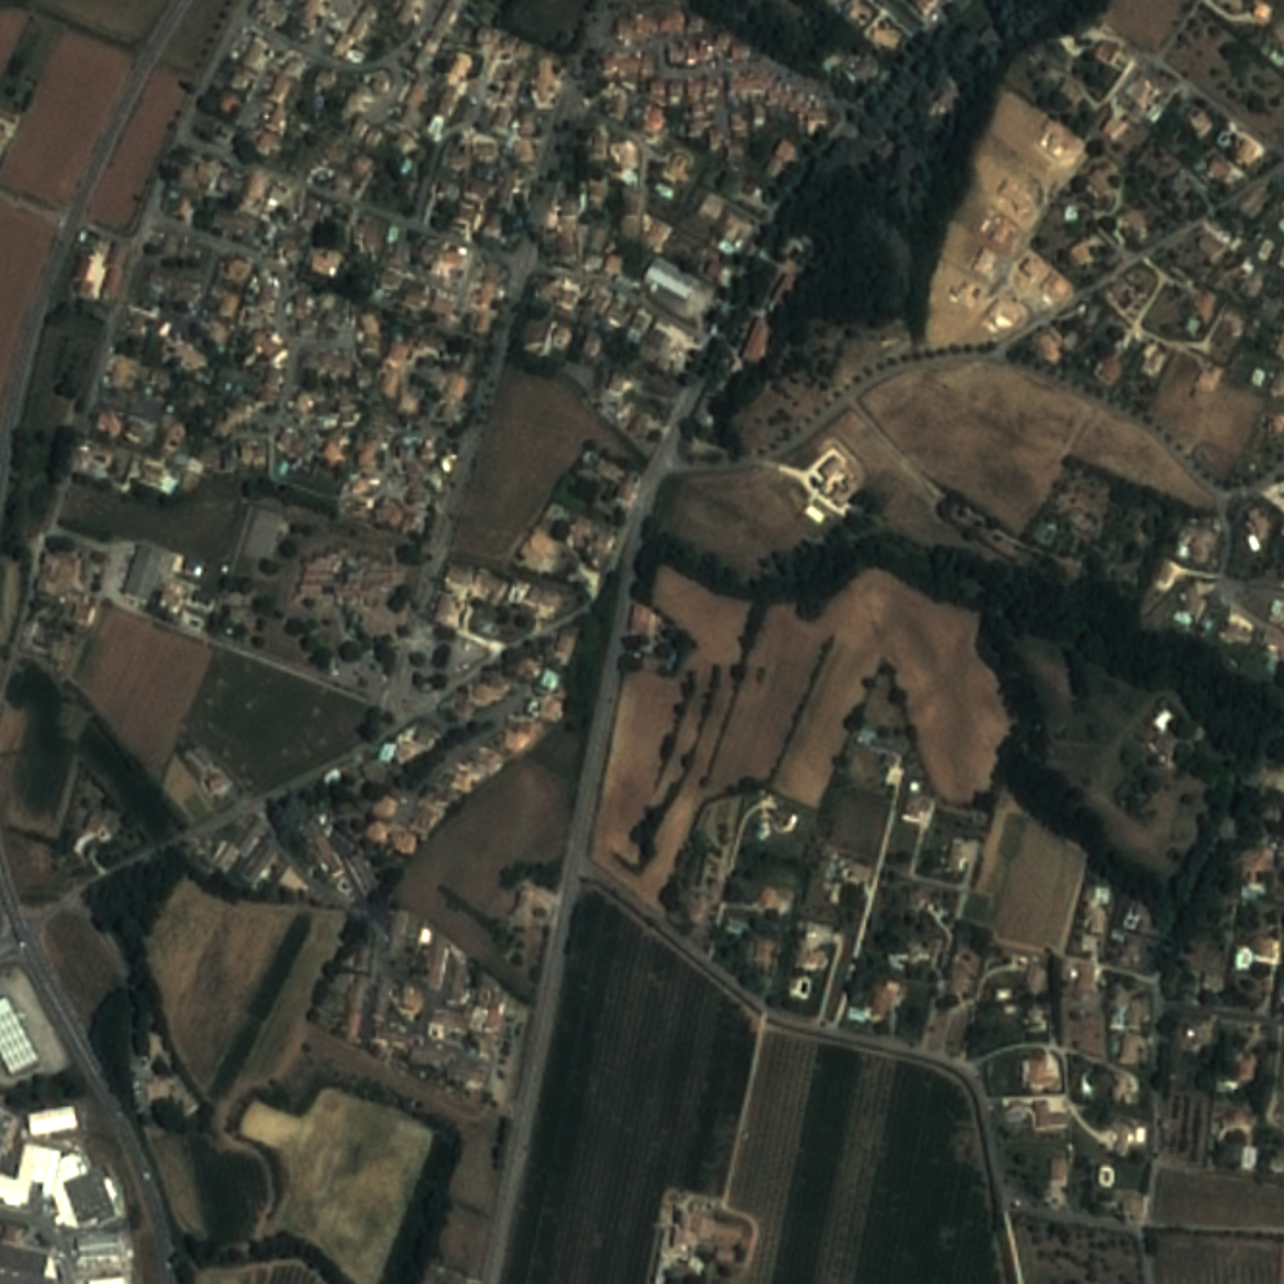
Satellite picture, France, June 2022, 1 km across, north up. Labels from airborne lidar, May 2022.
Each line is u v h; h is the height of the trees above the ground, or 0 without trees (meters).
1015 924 0
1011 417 0
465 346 14
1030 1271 0
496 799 0
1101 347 10
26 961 0
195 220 10
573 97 0
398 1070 0
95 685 0
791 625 0
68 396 14
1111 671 13
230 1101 0
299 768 0
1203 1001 14
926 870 6
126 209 0
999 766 7
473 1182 0
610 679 0
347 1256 0
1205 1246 0
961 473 0
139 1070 0
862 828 0
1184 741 20
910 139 15
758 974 11
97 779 7
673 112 10
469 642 0
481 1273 0
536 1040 0
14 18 0
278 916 0
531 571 5
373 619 0
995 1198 6
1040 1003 7
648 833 7
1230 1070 12
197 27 0
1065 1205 0
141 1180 0
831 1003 0
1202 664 22
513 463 0
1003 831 0
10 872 0
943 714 0
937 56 15
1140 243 7
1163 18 0
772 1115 0
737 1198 0
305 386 7
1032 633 17
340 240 11
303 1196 0
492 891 0
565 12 0
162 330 0
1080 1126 0
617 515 10
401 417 8
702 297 0
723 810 0
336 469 10
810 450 0
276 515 0
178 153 9
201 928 0
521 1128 0
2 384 0
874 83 17
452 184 0
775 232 19
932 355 8
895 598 0
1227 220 12
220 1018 0
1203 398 0
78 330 0
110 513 0
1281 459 7
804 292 21
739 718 0
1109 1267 6
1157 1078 11
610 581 12
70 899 0
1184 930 19
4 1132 0
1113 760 0
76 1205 0
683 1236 0
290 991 0
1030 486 0
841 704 0
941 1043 0
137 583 0
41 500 0
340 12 0
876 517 17
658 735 0
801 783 0
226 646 0
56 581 0
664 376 6
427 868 0
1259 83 6
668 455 0
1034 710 15
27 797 0
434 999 0
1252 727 22
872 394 0
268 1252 19
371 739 24
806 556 19
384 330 6
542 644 6
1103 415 0
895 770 0
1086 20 8
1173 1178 0
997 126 0
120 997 12
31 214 0
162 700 0
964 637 0
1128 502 9
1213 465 0
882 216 13
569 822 0
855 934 0
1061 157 0
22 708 0
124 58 0
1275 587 0
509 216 7
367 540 0
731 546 0
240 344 8
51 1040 0
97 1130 0
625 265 6
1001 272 0
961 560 22
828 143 17
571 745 0
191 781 0
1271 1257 0
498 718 0
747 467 0
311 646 13
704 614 0
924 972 7
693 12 6
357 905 0
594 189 0
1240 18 0
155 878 15
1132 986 7
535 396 0
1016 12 20
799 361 12
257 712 0
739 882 9
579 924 7
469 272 0
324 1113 0
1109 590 9
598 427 0
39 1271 0
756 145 9
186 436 6
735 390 17
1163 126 6
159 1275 0
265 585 0
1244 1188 0
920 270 7
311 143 10
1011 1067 0
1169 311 0
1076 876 0
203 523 0
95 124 0
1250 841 18
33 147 0
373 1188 0
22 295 0
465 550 0
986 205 0
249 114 0
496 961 0
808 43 7
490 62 0
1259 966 7
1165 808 0
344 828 10
